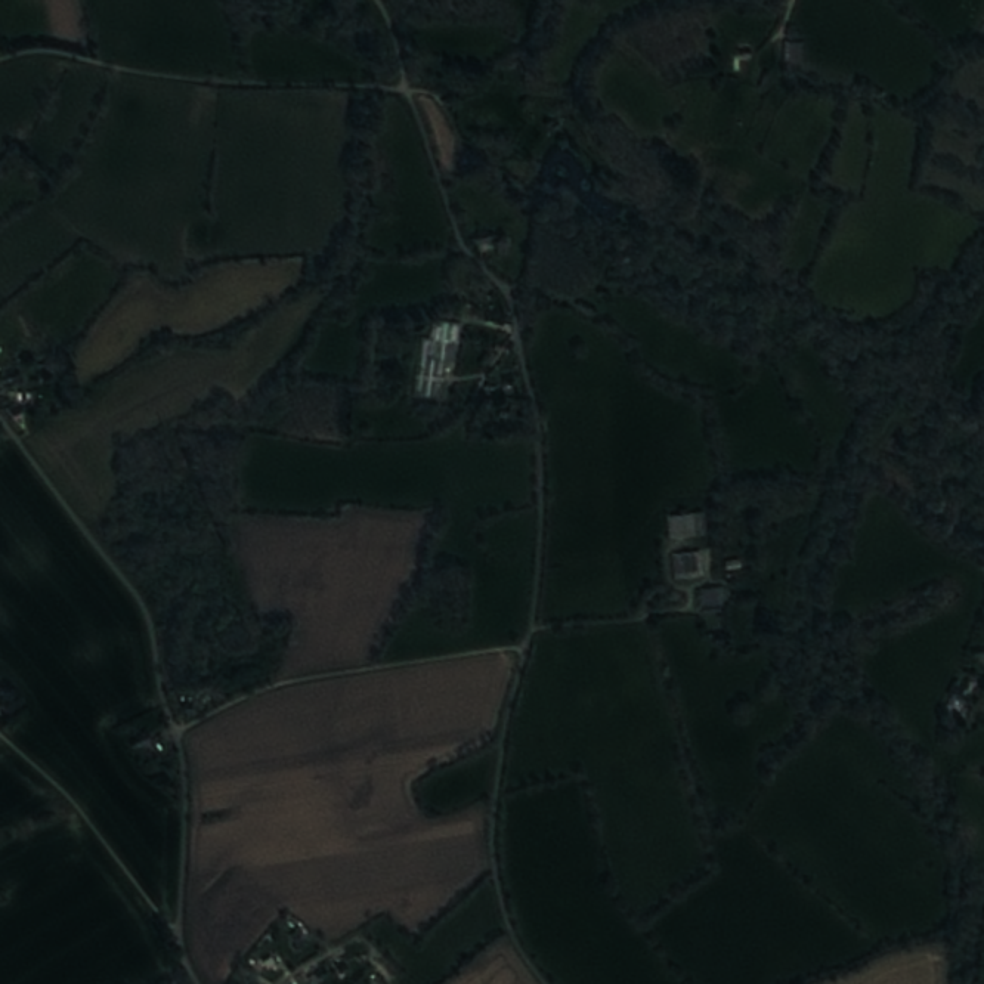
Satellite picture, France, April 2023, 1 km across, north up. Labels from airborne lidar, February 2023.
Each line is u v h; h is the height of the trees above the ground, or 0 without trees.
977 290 20
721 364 0
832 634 18
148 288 0
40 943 0
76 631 0
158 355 7
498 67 11
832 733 0
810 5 0
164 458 13
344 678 0
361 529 0
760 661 0
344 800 0
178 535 16
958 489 14
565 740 0
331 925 0
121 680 0
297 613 0
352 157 19
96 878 0
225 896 0
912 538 0
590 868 0
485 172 25
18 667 0
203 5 0
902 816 0
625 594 0
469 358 0
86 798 0
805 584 10
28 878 0
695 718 0
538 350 0
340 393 13
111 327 0
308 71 0
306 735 0
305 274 7
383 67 18
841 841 0
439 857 0
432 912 0
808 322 11
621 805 0
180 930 0
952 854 9
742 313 9
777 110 0
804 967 0
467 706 0
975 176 15
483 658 0
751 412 0
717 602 0
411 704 0
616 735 0
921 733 0
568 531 0
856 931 11
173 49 0
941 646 0
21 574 0
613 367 0
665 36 6
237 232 0
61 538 0
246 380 0
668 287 18
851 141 0
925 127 14
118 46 0
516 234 0
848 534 18
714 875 7
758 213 0
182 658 19
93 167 0
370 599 0
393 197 0
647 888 0
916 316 7
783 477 15
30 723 0
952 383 7
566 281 18
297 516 5
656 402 0
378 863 0
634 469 0
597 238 29
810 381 0
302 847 0
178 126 0
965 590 0
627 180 17
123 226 0
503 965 0
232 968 8
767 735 0
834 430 0
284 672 0
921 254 0
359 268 21
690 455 0
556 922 0
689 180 20
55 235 0
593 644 0
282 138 0
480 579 0
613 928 0
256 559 0
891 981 0
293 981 0
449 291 12
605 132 20
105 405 0
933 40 12
